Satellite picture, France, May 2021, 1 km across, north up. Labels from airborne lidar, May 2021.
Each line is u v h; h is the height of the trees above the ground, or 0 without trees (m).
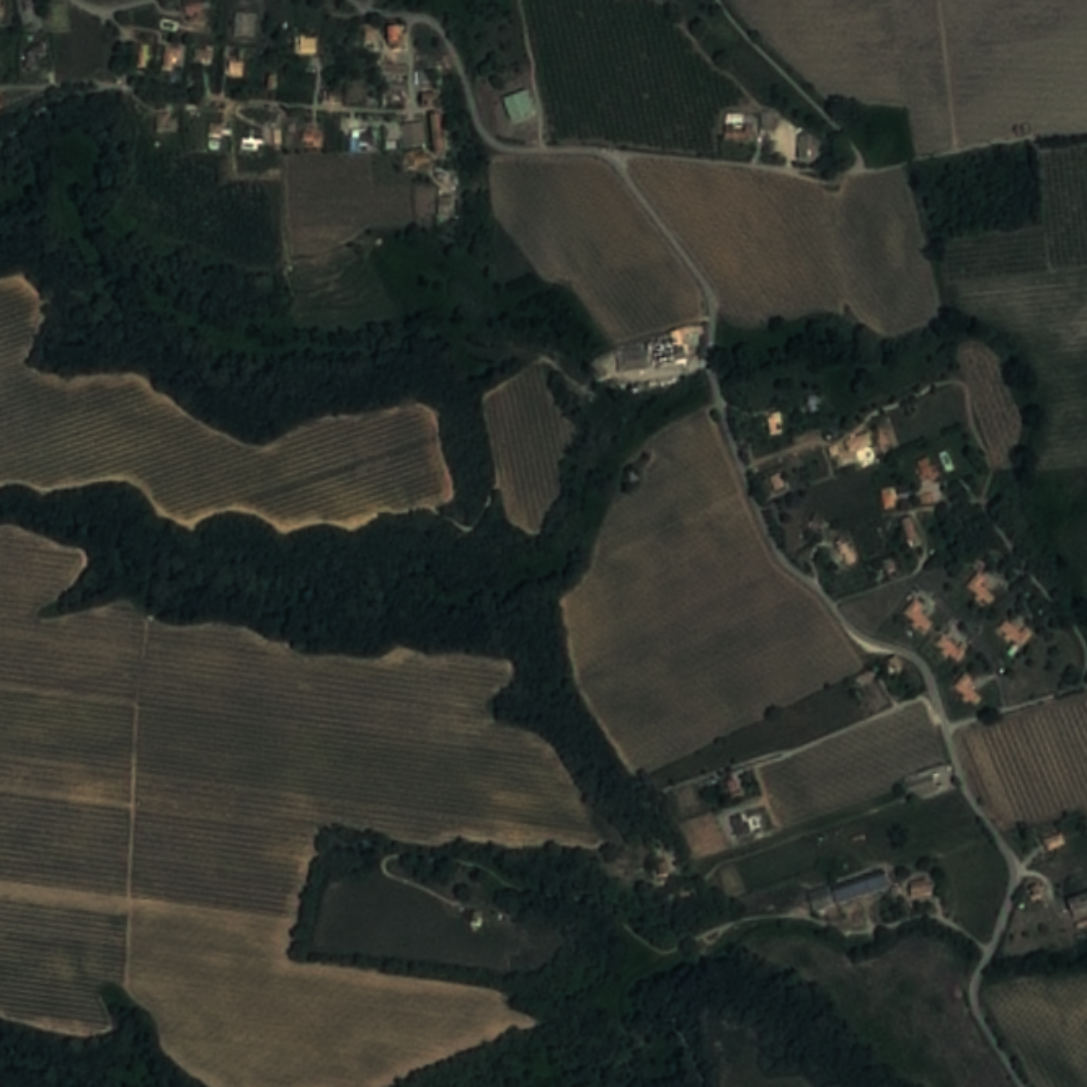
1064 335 0
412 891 0
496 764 0
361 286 0
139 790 0
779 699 0
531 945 0
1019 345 8
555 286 7
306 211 0
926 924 9
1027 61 0
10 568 0
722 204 0
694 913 14
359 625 17
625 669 0
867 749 0
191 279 18
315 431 0
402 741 0
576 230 0
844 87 0
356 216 0
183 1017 0
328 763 0
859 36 0
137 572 20
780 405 12
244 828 0
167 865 0
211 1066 0
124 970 0
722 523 0
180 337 16
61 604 10
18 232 16
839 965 0
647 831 10
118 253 20
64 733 0
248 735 0
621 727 0
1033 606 11
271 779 0
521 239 0
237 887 0
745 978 13
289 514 0
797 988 18
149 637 0
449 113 9
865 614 0
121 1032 11
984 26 0
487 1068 18
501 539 13
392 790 0
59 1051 7
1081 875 0
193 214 6
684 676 0
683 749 0
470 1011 0
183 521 0
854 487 0
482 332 6
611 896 15
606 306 0
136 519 17
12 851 0
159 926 0
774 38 0
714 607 0
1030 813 0
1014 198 5
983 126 0
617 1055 7
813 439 0
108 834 0
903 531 9
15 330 0
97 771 0
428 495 0
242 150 0
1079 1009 0
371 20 14
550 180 0
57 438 0
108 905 0
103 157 13
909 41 0
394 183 0
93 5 0
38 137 21
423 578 15
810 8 0
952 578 11
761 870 0
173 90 11
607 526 0
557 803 0
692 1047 8
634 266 0
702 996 10
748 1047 0
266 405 13
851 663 0
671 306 0
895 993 0
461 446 11
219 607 14
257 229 5
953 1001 0
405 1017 0
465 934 0
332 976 0
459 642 12
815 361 11
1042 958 21
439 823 0
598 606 0
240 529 11
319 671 0
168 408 0
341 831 12
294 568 18
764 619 0
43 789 0
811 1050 12
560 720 10
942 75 0
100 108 18
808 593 0
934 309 0
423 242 14
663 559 0
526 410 0
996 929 0
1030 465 24
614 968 14
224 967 0
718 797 9
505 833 0
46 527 12
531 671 15
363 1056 0
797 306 0
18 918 0
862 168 0
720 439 0
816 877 0
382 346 13
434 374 14
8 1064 8
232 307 16
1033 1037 0
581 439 9
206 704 0
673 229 0
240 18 0
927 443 9
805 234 0
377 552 15
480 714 0
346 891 0
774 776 0
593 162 0
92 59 0
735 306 0
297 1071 0
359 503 0
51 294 15
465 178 6
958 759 0
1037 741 0
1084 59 0
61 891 0
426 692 0
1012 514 21
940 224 7
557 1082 6
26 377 0
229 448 0
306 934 11
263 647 0
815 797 0
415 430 0
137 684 0
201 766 0
